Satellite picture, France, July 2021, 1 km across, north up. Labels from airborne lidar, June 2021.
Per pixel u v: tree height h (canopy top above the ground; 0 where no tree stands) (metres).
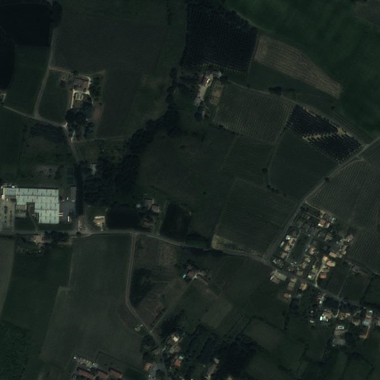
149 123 7
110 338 0
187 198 0
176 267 6
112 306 0
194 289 0
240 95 0
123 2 0
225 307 0
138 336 0
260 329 0
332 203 0
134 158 17
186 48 7
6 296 0
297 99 0
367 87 0
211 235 0
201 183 0
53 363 0
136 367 0
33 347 0
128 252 0
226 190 0
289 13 0
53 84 0
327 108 0
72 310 0
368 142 0
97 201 17
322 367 23
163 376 11
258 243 0
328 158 0
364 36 0
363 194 0
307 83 0
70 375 0
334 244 0
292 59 0
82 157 0
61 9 20
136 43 0
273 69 0
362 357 14
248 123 0
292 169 0
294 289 0
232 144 0
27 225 0
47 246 13
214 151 0
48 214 0
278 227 0
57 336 0
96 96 6
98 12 0
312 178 0
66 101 0
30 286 0
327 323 0
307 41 0
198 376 0
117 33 0
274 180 0
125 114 0
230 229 0
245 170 0
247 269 0
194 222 0
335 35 0
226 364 15
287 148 0
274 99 0
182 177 0
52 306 0
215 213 0
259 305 0
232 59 22
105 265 0
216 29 21
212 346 10
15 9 0
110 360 0
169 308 0
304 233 0
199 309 0
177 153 0
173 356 7
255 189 0
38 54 0
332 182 0
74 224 0
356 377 0
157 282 0
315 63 0
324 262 0
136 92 0
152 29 0
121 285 0
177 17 0
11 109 0
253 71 0
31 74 0
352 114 0
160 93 0
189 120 0
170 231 0
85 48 0
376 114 0
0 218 0
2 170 0
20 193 0
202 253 14
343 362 0
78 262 0
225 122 0
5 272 0
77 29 0
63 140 8
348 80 0
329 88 0
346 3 0
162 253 0
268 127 0
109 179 13
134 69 0
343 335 0
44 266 0
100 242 0
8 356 7
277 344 0
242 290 0
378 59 0
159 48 0
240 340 25
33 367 0
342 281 0
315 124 18
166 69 0
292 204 0
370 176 0
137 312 0
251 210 0
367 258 0
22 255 0
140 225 0
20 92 0
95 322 0
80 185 9
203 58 19
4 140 0
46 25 0
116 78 0
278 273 0
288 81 0
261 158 0
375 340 0
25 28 0
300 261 0
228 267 0
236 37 24
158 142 0
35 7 0
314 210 0
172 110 16
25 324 0
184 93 19
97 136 0
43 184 0
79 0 0
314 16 0
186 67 19
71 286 0
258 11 0
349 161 0
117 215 0
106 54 0
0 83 0
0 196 0
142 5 0
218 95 0
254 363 0
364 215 0
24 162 0
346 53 0
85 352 0
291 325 0
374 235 0
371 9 0
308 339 0
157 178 0
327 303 11
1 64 0
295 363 0
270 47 0
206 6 13
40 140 0
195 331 7
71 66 0
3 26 0
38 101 0
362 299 8
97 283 0
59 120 0
